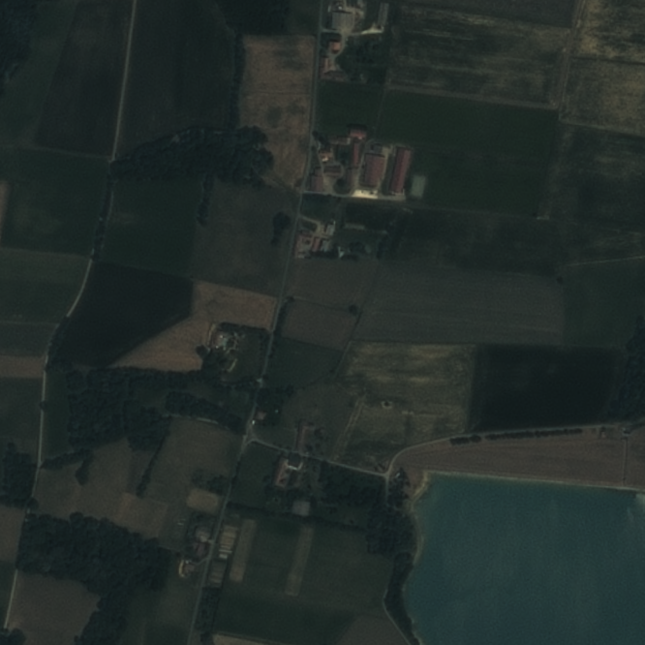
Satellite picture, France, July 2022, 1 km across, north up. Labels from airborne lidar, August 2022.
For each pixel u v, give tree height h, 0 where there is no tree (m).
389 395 0
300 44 0
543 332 0
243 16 14
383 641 0
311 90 0
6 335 0
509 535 0
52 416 0
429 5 0
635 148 0
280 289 0
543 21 0
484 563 0
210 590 8
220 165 23
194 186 0
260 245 0
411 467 0
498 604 0
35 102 0
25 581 0
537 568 0
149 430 18
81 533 20
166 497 0
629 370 8
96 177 0
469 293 0
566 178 0
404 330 0
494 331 0
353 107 0
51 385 0
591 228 0
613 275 0
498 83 0
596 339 0
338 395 0
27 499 9
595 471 0
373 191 0
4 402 0
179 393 7
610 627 0
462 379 0
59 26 0
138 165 19
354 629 0
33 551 19
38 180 0
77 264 0
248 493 0
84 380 19
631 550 0
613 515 0
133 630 0
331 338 0
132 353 0
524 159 0
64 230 0
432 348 0
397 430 0
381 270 0
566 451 0
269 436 0
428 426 0
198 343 0
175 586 0
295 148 0
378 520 18
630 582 0
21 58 19
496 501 0
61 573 19
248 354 0
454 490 0
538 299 0
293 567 0
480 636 0
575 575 0
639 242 0
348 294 0
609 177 0
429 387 0
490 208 0
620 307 0
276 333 12
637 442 0
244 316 0
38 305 0
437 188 0
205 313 0
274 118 0
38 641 0
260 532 0
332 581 0
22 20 21
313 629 0
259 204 0
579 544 0
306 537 0
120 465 0
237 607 0
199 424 0
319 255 13
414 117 0
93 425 18
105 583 22
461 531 0
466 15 0
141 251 0
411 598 0
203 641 9
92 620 12
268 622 0
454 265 0
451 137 0
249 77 0
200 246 0
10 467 16
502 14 0
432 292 0
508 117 0
